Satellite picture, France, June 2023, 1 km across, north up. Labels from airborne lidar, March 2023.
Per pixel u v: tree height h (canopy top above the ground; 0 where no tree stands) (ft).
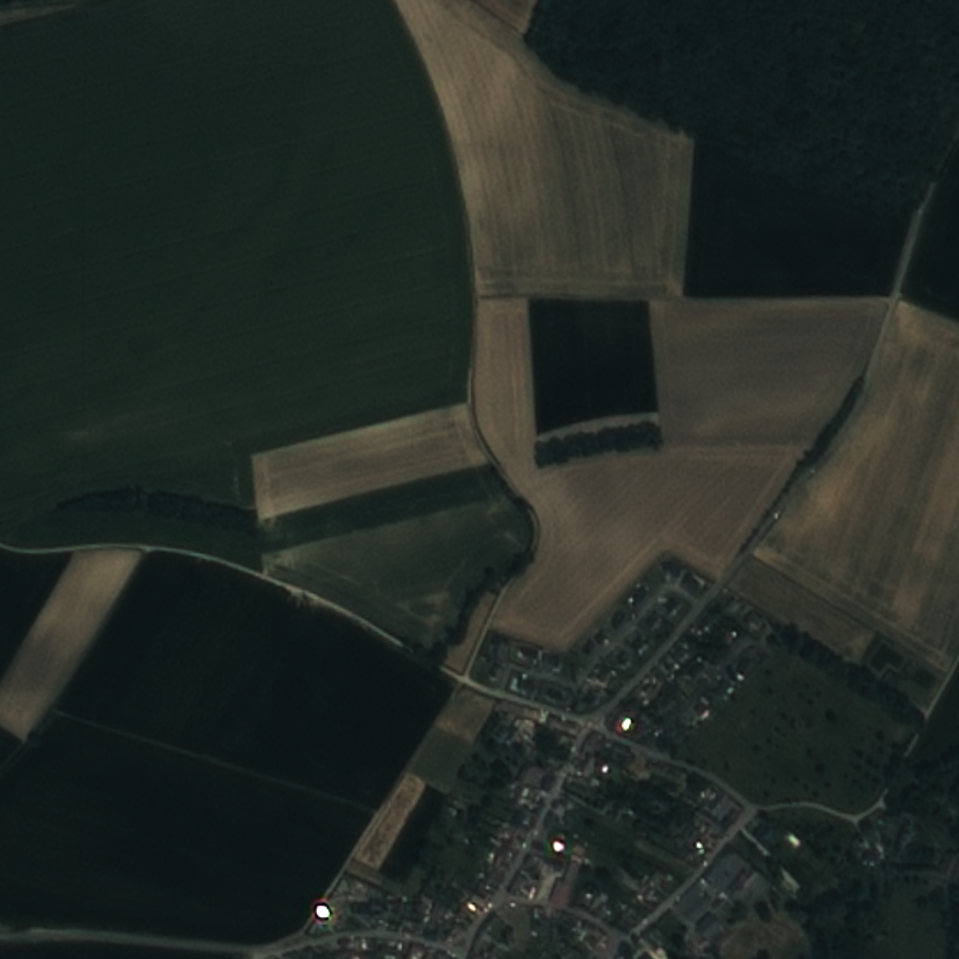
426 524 0
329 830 0
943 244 0
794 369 0
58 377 0
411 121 0
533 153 0
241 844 0
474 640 0
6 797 0
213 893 0
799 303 0
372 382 0
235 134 0
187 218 0
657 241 0
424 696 0
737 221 0
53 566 0
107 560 0
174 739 0
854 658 0
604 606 0
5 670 0
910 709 79
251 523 32
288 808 0
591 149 0
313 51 0
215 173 0
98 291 0
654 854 0
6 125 0
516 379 0
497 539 0
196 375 0
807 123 72
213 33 0
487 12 0
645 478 0
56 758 0
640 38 74
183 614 0
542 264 0
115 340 0
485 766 33
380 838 0
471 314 0
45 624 0
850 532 0
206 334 0
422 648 31
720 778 0
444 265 0
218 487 0
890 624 0
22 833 0
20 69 0
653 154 0
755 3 74
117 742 0
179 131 0
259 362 0
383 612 0
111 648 0
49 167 0
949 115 64
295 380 0
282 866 0
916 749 0
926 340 0
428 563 0
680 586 0
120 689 0
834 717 37
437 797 0
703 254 0
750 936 0
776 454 0
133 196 0
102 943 0
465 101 0
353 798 0
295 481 0
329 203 0
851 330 0
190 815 0
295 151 0
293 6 0
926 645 0
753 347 0
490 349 0
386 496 0
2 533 0
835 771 0
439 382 0
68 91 0
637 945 46
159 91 0
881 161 72
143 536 0
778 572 0
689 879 0
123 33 0
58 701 0
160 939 0
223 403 0
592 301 0
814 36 77
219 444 0
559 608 0
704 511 0
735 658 0
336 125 0
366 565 0
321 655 0
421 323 0
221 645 0
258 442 0
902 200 54
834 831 21
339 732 0
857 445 0
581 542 0
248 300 0
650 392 0
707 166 0
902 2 74
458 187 0
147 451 0
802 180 54
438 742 0
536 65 0
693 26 70
